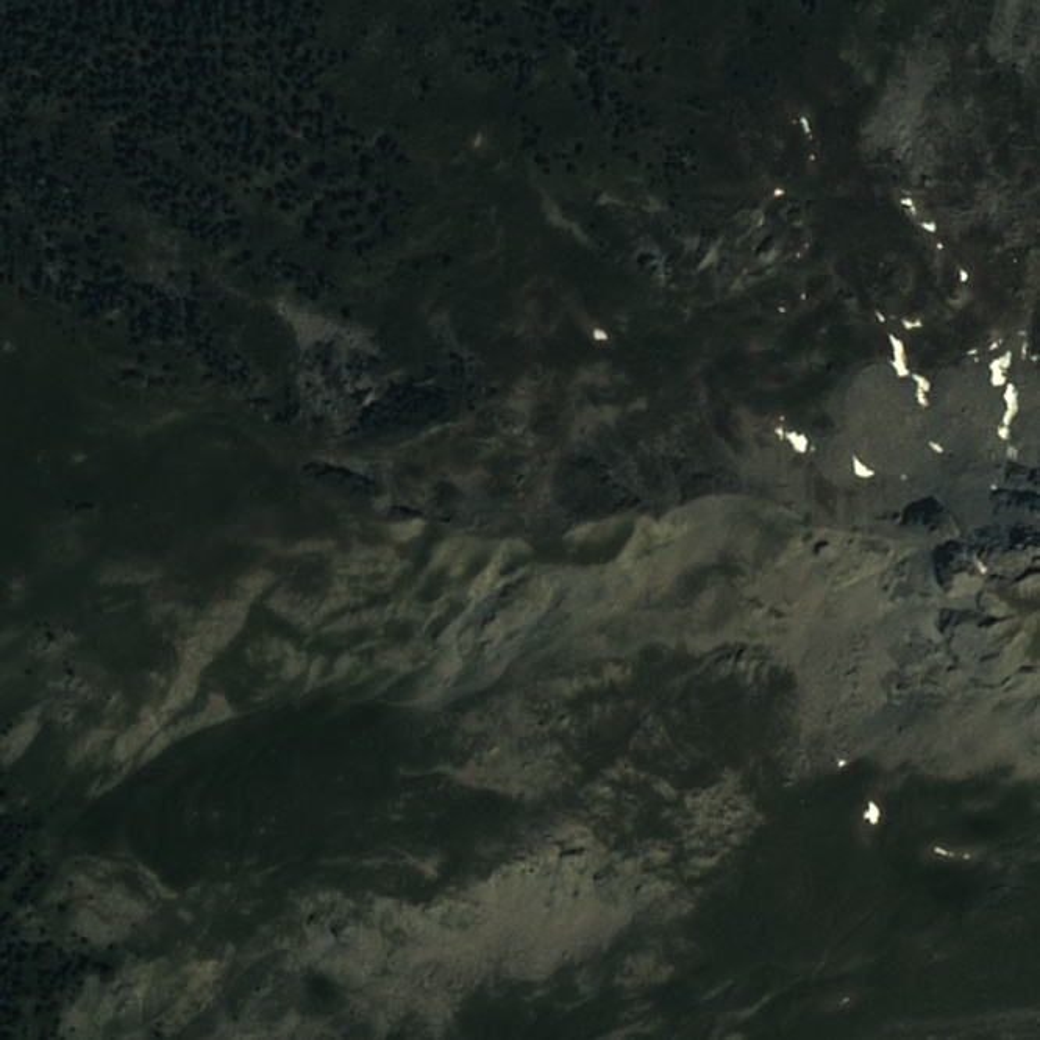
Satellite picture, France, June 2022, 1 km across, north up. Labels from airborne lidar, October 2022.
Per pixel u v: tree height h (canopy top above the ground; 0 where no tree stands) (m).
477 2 12
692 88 0
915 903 0
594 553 0
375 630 0
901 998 0
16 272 14
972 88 0
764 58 0
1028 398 0
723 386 0
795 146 0
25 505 0
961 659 0
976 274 0
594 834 0
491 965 0
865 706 0
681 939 0
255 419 0
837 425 0
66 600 0
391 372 0
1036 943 0
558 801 0
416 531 0
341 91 0
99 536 0
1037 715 0
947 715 0
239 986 0
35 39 21
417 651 0
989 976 0
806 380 0
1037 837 0
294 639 0
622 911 0
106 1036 0
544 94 0
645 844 0
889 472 0
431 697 0
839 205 0
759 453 0
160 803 0
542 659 0
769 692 0
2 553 0
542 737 0
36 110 0
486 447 0
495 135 0
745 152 0
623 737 0
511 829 0
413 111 0
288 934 0
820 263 0
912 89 0
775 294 0
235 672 0
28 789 0
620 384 0
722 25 0
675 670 0
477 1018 0
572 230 0
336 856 0
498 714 0
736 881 0
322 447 0
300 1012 0
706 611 0
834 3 0
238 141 13
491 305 0
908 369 0
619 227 0
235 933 0
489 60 11
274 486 0
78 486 0
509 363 0
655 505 0
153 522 0
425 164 0
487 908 0
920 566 0
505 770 0
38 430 0
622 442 0
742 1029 0
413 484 0
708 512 0
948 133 0
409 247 0
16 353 0
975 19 0
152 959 0
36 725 0
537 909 0
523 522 0
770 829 0
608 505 0
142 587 0
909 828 0
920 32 0
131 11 11
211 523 0
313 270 0
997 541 0
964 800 0
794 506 0
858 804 0
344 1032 0
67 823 0
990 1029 0
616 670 0
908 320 0
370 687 0
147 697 0
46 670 0
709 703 0
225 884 0
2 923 13
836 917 0
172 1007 0
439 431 0
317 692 0
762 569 0
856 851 0
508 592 0
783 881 0
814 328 0
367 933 0
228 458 0
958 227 0
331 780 0
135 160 15
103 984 14
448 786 0
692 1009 0
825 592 0
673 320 0
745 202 0
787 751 0
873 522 0
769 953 0
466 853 0
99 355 0
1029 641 0
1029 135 0
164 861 0
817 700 0
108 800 0
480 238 0
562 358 0
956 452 0
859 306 0
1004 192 0
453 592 0
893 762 0
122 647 0
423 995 0
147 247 0
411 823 0
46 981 8
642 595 0
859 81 0
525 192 0
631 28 0
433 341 0
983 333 0
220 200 13
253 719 0
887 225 0
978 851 0
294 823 0
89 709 0
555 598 0
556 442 0
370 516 0
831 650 0
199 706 0
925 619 0
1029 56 0
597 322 0
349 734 0
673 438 0
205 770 0
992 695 0
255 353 0
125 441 0
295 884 0
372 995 0
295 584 0
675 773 0
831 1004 0
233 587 0
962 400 0
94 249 18
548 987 0
